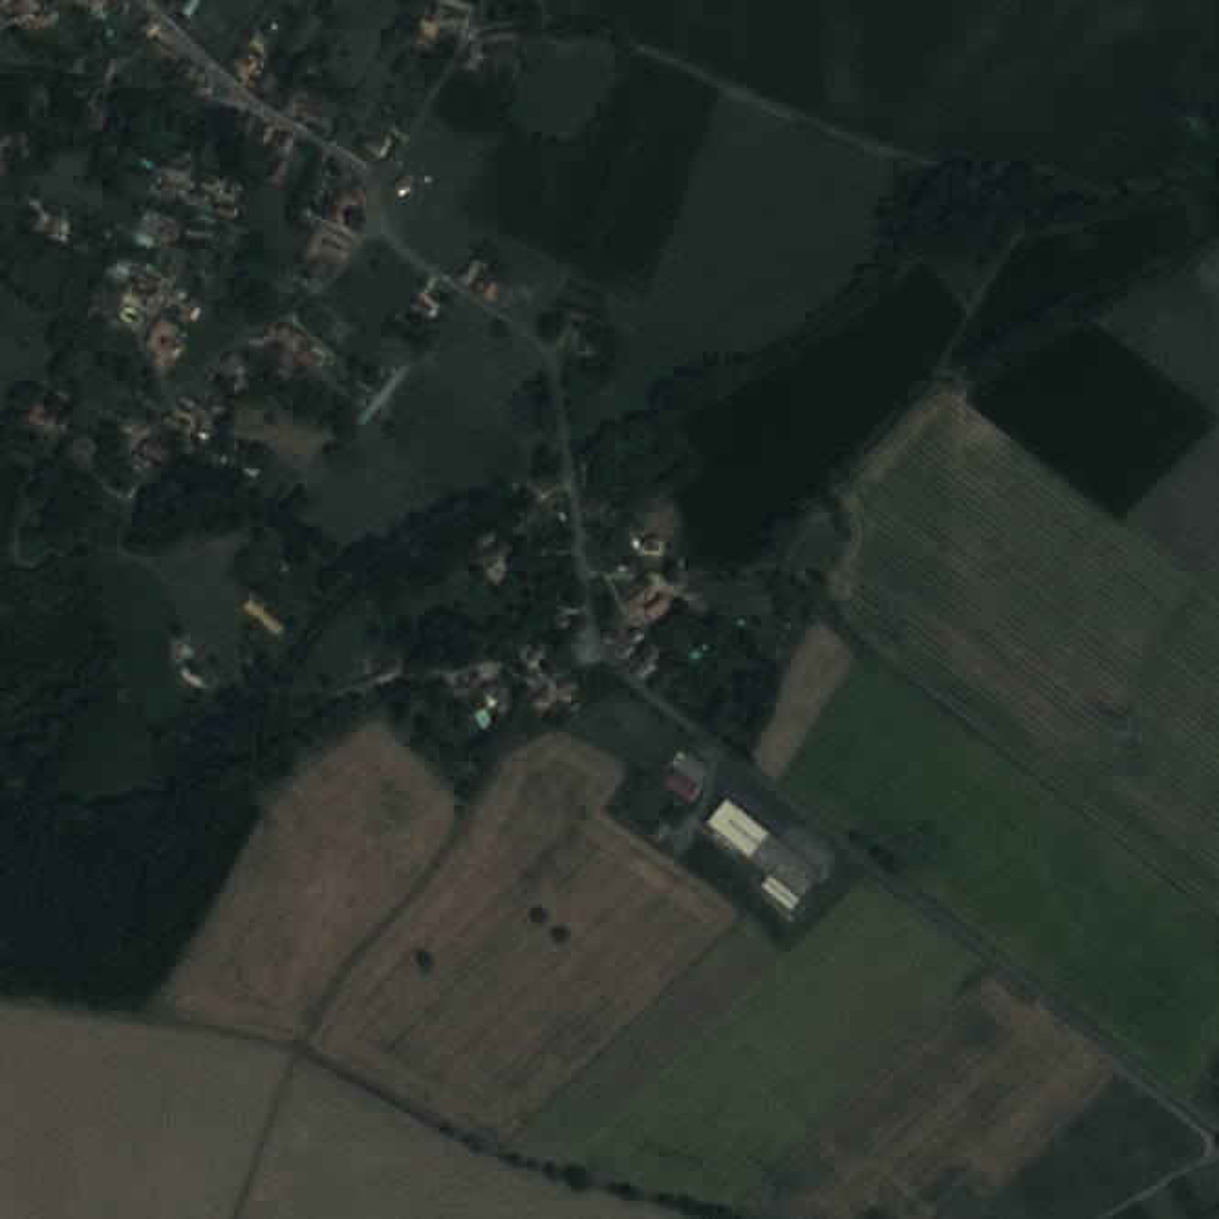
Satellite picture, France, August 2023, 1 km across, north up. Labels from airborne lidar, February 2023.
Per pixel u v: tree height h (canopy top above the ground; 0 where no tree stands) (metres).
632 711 0
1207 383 0
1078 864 0
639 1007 0
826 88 0
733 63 0
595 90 0
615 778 0
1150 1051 0
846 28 0
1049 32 0
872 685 0
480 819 0
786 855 0
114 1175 0
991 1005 0
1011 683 0
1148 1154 0
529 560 15
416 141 0
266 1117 0
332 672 0
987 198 19
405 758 0
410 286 0
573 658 0
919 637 0
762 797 0
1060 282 0
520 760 0
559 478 21
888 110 0
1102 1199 0
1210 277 0
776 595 12
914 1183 0
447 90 0
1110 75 0
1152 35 0
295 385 9
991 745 0
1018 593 0
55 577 8
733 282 0
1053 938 0
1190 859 0
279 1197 0
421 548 28
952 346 0
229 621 0
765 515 0
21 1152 0
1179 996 0
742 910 0
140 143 16
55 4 7
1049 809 0
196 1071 0
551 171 0
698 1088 0
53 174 0
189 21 9
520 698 9
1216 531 0
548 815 0
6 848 29
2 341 0
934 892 0
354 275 0
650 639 7
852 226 0
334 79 8
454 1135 7
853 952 0
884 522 0
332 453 10
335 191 6
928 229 19
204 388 0
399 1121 0
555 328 16
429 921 0
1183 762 0
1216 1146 0
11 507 7
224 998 0
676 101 0
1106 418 0
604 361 8
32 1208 0
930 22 0
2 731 16
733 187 0
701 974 0
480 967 0
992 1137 0
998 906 0
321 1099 0
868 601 0
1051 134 0
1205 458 0
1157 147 0
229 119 13
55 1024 0
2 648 7
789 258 0
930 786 0
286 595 0
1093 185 0
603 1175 0
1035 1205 0
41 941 35
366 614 0
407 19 7
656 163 0
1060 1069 0
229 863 8
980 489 0
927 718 0
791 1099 0
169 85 9
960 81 0
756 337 0
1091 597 0
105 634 13
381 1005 0
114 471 14
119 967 25
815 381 0
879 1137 0
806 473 0
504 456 0
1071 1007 0
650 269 0
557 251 0
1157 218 0
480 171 0
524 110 0
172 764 0
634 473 9
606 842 0
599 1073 0
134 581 0
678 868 0
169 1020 0
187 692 0
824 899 0
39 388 12
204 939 0
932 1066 0
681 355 0
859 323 0
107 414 0
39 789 21
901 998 0
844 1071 0
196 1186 0
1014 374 0
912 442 0
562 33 12
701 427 0
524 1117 0
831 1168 0
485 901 0
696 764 0
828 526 0
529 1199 0
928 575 0
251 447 8
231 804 22
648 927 0
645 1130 0
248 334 0
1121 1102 0
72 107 15
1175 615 0
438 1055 0
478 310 0
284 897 0
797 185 0
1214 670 0
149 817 22
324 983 0
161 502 24
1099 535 0
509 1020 0
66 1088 0
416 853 0
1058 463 0
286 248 0
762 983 0
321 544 25
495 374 0
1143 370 0
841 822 0
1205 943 0
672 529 0
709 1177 0
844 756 0
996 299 0
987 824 0
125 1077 0
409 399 0
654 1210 0
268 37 8
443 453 0
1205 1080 0
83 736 17
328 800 0
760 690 19
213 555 0
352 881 0
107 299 0
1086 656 0
